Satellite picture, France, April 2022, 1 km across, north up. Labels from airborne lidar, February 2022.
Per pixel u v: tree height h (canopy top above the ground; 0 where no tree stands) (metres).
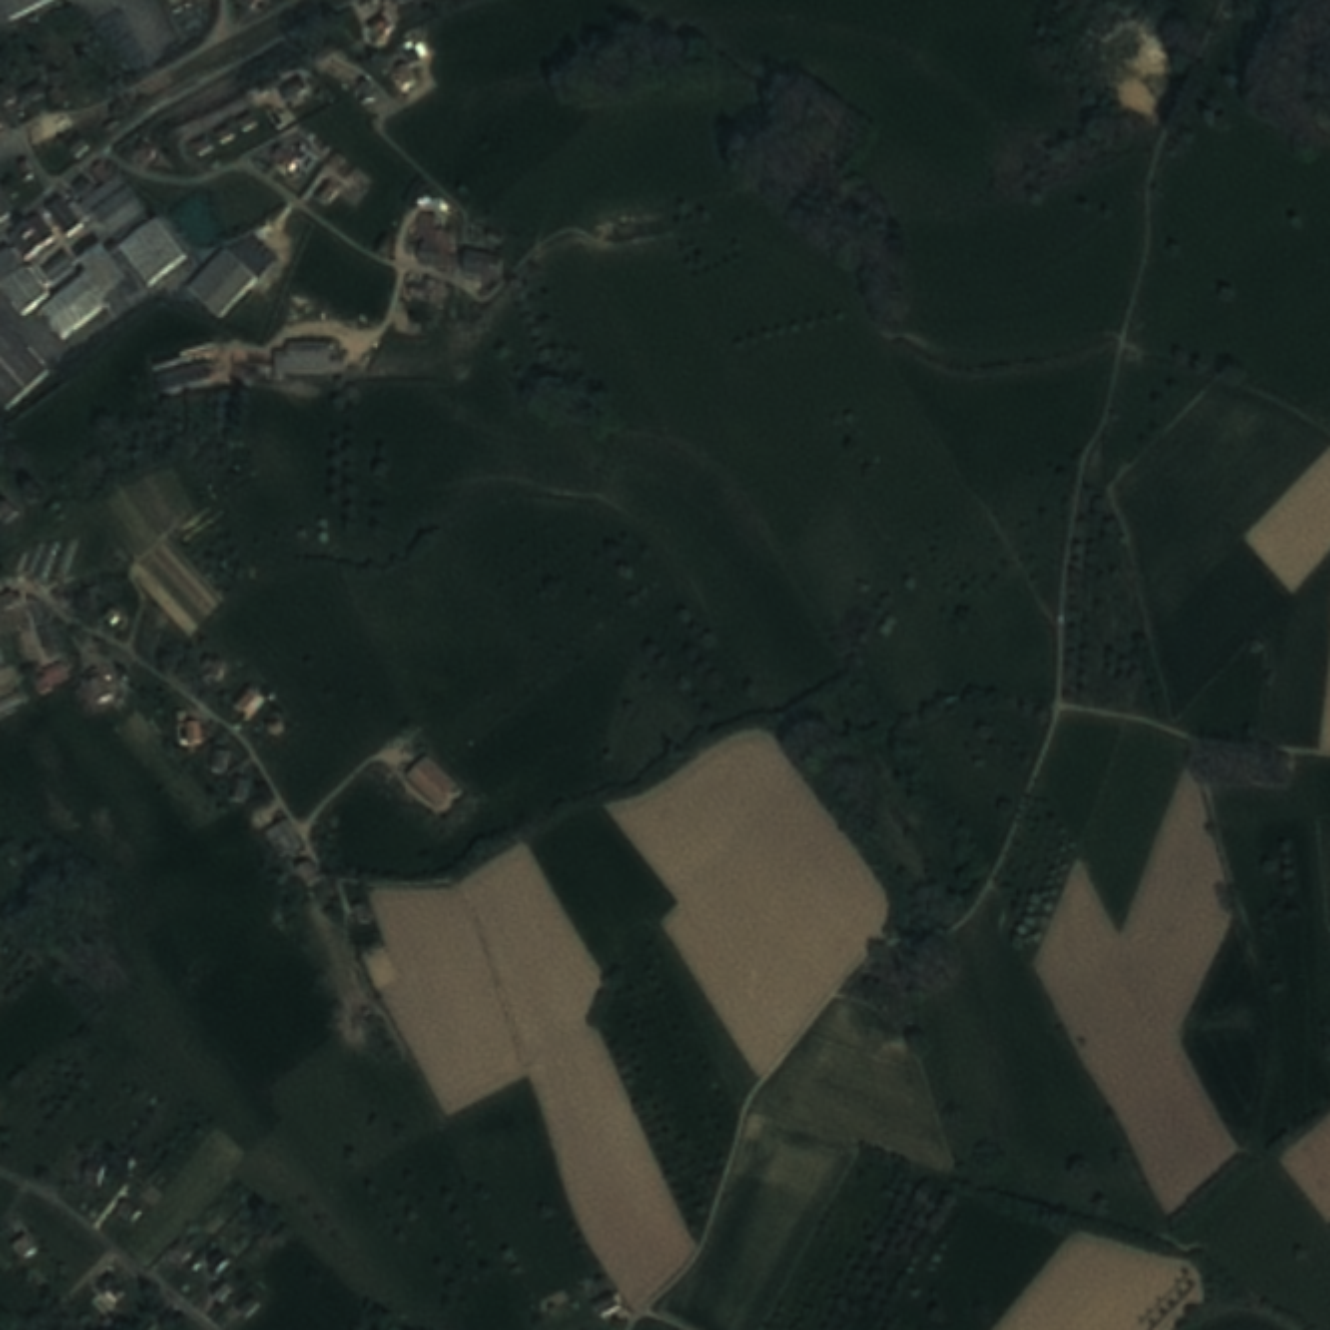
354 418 7
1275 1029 0
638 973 0
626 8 0
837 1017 0
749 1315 0
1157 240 0
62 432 0
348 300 0
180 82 0
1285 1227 0
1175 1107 0
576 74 26
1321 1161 0
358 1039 0
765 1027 0
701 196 0
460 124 0
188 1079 0
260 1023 0
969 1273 0
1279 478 0
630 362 0
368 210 0
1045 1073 0
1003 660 0
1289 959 0
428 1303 0
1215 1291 7
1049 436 0
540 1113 0
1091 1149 0
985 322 0
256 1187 0
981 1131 0
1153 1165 0
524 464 0
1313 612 0
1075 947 0
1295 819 0
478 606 0
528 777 0
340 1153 0
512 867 0
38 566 0
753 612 0
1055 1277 0
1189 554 0
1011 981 0
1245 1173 7
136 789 0
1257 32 0
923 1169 0
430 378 0
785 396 0
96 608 10
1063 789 0
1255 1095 0
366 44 0
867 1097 0
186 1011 0
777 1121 0
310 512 0
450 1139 0
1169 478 0
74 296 0
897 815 0
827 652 0
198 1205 0
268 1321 0
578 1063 0
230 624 0
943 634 0
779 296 0
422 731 0
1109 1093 0
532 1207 0
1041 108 0
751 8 0
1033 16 0
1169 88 0
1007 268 0
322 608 0
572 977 0
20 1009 0
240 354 0
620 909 0
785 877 0
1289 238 0
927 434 0
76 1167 0
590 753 0
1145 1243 7
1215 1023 0
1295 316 0
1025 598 0
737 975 0
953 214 0
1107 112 11
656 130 0
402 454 0
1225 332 0
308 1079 0
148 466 13
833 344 0
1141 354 0
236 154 0
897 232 19
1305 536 0
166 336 0
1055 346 0
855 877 0
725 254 0
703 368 0
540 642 0
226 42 0
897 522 0
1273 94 26
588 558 0
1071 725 0
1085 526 7
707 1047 0
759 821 0
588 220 0
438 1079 0
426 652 0
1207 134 0
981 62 0
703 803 0
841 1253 0
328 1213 0
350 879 12
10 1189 0
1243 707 0
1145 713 0
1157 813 0
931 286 0
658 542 0
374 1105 0
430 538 9
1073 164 0
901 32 0
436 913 0
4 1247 0
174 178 0
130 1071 0
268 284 0
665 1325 0
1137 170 0
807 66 0
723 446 0
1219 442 0
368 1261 0
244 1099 0
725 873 0
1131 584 0
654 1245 0
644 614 0
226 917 0
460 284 0
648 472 0
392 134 0
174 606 0
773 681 0
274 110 0
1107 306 0
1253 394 0
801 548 0
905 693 0
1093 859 0
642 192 0
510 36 0
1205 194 0
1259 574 0
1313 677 0
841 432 0
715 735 7
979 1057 0
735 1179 0
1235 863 0
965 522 0
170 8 0
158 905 0
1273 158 0
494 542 0
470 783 0
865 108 0
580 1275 0
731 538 0
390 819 0
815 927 0
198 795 0
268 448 0
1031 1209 9
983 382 0
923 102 0
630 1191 0
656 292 0
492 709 0
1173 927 0
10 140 0
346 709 0
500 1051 0
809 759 29
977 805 0
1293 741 0
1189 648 0
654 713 0
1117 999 0
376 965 0
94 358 0
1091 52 0
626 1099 0
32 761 0
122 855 0
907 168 0
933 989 23
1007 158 0
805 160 32
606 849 0
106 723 0
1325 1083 0
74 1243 0
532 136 0
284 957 0
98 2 0
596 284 0
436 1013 0
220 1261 0
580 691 0
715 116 0
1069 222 0
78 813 0
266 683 0
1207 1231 0
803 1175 0
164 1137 0
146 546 0
